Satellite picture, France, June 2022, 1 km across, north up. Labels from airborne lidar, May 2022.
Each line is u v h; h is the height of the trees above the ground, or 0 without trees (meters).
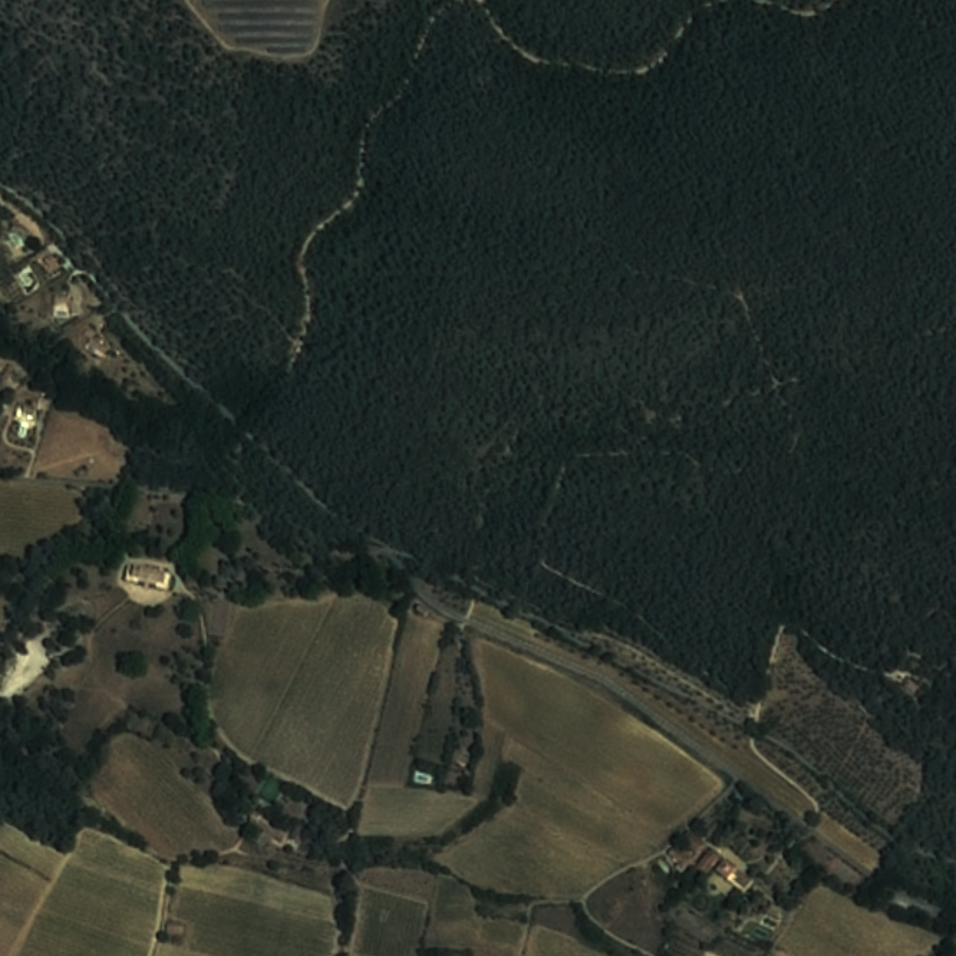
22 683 0
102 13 13
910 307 9
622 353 10
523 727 0
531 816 0
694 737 0
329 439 16
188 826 0
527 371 12
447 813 0
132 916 0
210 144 15
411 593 16
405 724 0
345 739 0
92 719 0
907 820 16
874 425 15
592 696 0
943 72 16
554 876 0
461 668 5
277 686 0
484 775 0
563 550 11
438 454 6
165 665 13
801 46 14
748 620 18
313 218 6
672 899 8
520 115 14
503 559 11
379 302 7
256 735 0
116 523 17
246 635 0
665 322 12
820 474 14
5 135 16
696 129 16
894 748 18
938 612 8
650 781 0
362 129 12
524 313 6
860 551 14
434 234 14
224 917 0
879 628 14
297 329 17
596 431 12
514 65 18
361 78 8
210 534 20
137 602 0
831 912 0
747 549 15
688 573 15
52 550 21
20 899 0
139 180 12
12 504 0
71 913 0
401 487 13
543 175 11
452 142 16
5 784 19
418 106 17
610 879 0
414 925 0
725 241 13
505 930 0
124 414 24
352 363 16
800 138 14
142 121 14
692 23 10
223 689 0
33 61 17
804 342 12
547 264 15
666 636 10
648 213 17
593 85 12
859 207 18
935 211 13
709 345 10
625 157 13
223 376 8
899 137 15
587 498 10
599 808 0
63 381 21
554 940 0
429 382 13
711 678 7
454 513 14
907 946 0
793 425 14
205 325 17
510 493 9
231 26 0
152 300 23
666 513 9
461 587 11
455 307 11
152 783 0
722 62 13
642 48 16
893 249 15
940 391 15
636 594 14
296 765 0
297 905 0
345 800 0
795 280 13
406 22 10
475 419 13
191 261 11
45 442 0
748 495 14
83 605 0
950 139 9
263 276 16
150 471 21
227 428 14
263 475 10
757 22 11
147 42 5
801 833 17
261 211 16
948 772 20
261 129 13
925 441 9
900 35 17
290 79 9
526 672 0
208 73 7
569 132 14
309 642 0
